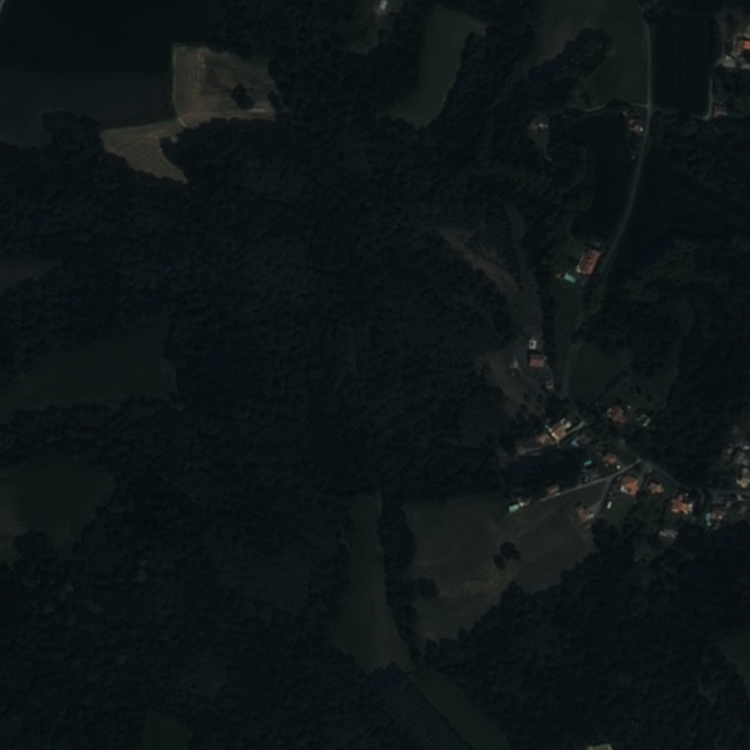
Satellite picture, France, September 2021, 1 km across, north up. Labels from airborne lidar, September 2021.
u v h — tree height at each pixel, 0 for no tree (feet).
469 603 0
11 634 37
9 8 0
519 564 0
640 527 39
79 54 0
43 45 0
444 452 66
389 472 66
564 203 109
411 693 96
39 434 76
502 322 48
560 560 0
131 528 52
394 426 34
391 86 87
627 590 46
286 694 76
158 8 0
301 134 69
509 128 71
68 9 0
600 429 68
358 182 69
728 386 87
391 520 64
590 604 52
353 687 62
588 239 26
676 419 28
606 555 56
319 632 76
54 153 54
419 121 0
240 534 66
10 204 34
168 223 73
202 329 40
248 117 0
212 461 25
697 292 69
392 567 61
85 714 64
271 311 64
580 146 49
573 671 72
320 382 31
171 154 66
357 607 0
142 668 67
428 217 19
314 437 45
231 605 82
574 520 0
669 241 42
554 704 68
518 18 90
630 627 95
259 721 54
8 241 68
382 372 39
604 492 0
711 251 82
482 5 59
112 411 21
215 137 61
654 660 70
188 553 91
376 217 19
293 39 44
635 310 65
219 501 28
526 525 0
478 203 47
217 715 53
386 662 0
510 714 55
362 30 0
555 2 0
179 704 23
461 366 23
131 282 95
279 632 64
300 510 70
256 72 0
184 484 36
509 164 104
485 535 0
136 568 83
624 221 0
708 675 66
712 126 30
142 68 0
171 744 0
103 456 68
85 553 34
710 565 87
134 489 45
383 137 49
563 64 72
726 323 90
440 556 0
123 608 85
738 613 71
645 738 57
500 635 62
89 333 69
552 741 83
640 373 46
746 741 46
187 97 0
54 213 43
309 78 75
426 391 45
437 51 0
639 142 47
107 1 0
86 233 61
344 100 66
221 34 48
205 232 65
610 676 94
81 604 92
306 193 50
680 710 49
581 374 0
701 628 56
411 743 75
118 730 71
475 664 69
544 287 48
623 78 0
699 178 31
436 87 0
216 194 44
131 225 64
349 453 54
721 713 46
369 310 43
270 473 61
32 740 81
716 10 56
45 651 81
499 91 90
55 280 65
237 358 20
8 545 0
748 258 84
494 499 0
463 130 86
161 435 73
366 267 64
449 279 53
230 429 81
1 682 67
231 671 55
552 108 80
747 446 0
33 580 93
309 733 73
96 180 60
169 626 61
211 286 83
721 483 40
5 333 98
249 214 64
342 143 27
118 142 0
